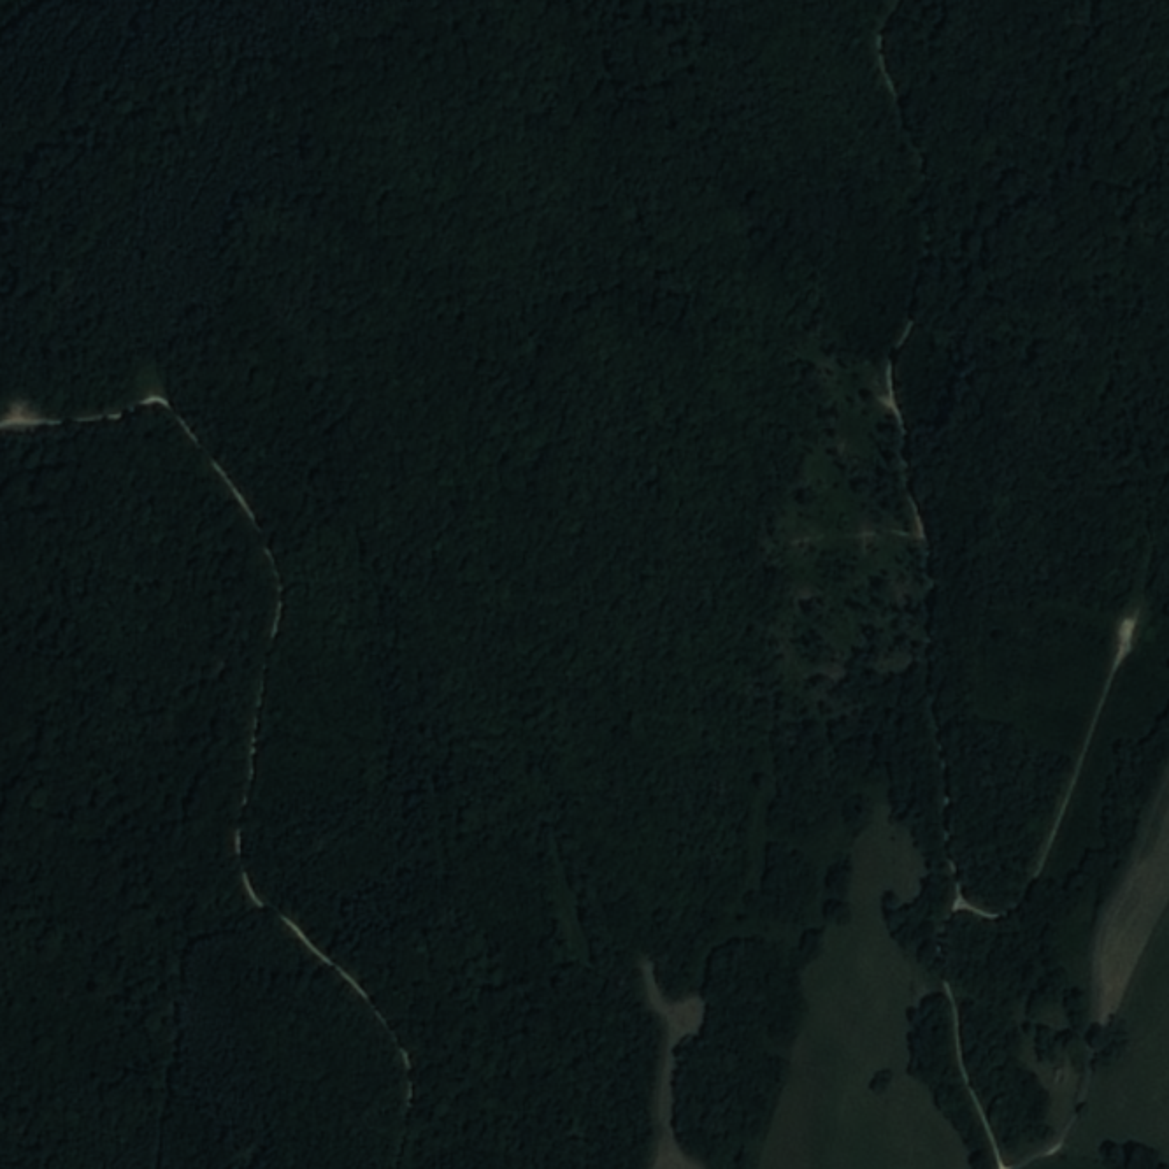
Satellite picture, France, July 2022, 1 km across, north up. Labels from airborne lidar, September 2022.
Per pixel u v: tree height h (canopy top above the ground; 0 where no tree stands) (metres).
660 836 10
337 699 12
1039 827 16
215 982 17
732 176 25
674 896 11
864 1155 0
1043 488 15
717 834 18
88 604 17
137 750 18
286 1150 16
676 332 24
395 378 17
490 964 12
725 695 17
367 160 15
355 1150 15
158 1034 18
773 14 17
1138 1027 0
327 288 14
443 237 14
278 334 13
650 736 11
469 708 19
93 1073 10
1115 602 18
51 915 8
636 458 11
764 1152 0
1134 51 14
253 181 13
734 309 17
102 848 22
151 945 18
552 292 14
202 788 24
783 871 13
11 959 15
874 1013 0
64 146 12
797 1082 0
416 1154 11
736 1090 13
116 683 23
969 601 12
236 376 19
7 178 23
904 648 16
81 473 20
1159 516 12
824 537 0
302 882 12
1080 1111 9
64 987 13
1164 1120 0
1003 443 14
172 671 18
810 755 12
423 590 13
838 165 16
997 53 15
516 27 12
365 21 18
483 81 17
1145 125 15
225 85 11
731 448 17
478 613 18
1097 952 0
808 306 17
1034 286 19
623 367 12
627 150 18
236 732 18
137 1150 14
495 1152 14
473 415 20
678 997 12
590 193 17
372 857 12
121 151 20
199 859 23
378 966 16
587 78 27
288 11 20
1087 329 17
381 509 11
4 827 19
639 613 13
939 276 17
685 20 18
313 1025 13
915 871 0
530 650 15
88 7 23
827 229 22
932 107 21
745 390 14
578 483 17
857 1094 0
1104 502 17
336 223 23
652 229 19
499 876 12
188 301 7
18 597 23
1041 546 13
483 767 19
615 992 19
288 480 16
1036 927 16
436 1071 19
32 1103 9
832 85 12
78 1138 9
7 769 10
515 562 17
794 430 18
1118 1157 20
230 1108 22
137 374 10
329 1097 13
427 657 9
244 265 15
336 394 15
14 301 20
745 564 20
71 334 10
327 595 12
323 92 23
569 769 10
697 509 12
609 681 15
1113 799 11
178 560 21
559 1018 14
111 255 12
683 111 16
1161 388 15
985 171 17
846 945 0
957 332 19
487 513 20
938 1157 0
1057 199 23
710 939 16
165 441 20
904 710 15
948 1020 18
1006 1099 9
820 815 13
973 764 11
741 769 12
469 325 21
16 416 0
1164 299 17
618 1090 21
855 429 0
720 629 15
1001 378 18
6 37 17
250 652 20
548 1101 22
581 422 17
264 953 10
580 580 15
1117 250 16
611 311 16
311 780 12
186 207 14
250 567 20
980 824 13
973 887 10
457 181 18
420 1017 24
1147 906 0
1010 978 20
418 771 22
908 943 17
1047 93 10
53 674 21
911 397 8
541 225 14
